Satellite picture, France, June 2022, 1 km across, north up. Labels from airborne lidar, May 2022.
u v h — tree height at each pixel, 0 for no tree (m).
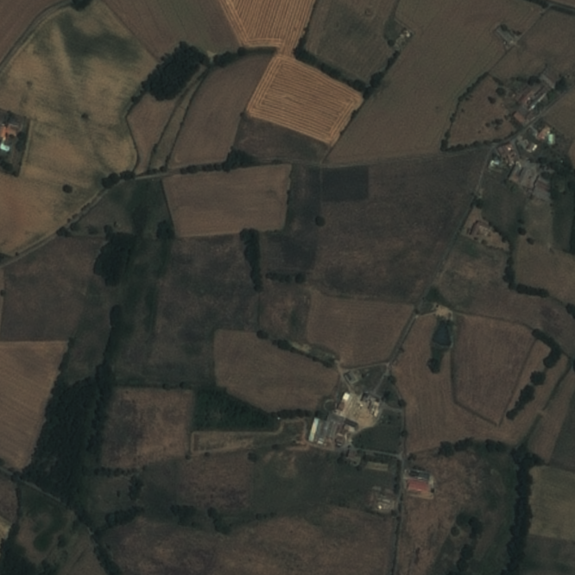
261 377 0
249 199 0
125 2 0
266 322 0
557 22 0
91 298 0
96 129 0
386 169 0
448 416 0
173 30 0
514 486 0
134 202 0
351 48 0
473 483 0
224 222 0
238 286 0
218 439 0
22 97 0
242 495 0
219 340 0
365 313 0
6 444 0
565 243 0
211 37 0
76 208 0
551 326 0
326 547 0
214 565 0
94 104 0
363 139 0
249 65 0
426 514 0
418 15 0
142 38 0
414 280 0
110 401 11
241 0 0
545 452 0
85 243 0
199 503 0
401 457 0
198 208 0
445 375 0
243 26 0
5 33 0
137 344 0
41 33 0
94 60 0
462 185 0
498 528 0
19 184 0
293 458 0
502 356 0
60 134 0
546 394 0
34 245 0
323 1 0
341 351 0
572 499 0
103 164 0
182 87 16
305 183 0
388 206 0
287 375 0
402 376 0
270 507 0
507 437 0
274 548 0
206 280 0
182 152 0
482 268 0
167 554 0
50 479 12
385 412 0
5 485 0
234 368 0
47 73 0
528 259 0
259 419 7
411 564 0
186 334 0
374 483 0
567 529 0
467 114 0
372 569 0
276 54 0
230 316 0
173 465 0
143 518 0
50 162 0
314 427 0
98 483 0
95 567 0
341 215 0
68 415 19
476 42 0
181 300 0
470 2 0
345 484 0
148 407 0
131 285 0
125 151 0
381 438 0
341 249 0
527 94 0
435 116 0
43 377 0
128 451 0
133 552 0
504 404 0
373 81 12
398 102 0
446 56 0
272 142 0
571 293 0
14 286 0
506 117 5
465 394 0
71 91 0
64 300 0
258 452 0
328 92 0
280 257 0
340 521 0
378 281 0
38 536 0
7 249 0
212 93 0
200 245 0
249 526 0
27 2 0
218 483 0
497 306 0
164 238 15
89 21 0
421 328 0
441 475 0
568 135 0
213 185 0
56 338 0
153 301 0
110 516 16
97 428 19
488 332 0
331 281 0
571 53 0
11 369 0
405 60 0
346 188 0
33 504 0
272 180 0
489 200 0
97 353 0
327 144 0
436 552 0
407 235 0
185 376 0
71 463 17
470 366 0
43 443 12
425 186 0
